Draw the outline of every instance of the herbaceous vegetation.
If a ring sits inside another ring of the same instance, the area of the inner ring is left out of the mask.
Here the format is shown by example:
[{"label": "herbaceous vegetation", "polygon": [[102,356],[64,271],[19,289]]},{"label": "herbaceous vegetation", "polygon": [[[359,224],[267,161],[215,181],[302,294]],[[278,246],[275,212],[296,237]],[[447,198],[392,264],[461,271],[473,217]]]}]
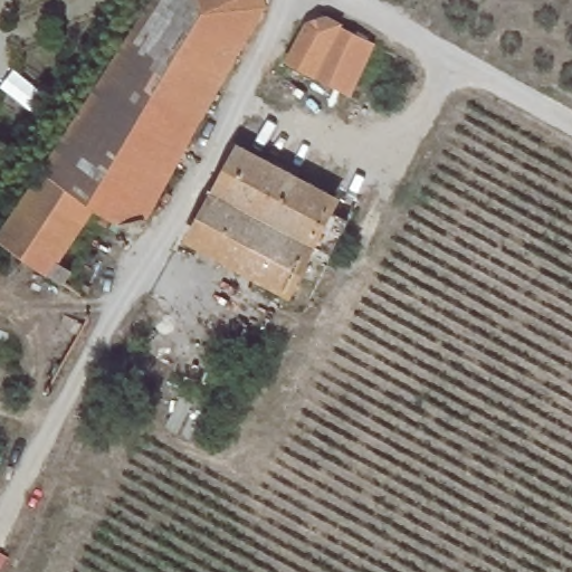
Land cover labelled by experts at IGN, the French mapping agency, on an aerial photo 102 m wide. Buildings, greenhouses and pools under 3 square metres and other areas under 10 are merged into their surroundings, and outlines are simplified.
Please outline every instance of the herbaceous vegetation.
[{"label": "herbaceous vegetation", "polygon": [[0,427],[7,431],[9,438],[25,438],[27,442],[42,427],[49,407],[54,404],[58,391],[63,389],[67,375],[72,373],[83,351],[83,344],[87,342],[89,333],[94,331],[101,317],[103,284],[116,279],[118,261],[127,246],[127,232],[116,228],[112,228],[109,223],[101,226],[101,217],[96,215],[89,217],[89,221],[85,223],[85,228],[74,239],[72,248],[60,261],[63,268],[69,270],[69,279],[58,284],[51,277],[45,277],[40,270],[25,266],[20,259],[11,259],[11,255],[4,248],[0,248],[0,340],[16,335],[22,340],[22,369],[34,380],[31,400],[27,409],[11,411],[2,404],[2,382],[7,378],[7,371],[0,369]]},{"label": "herbaceous vegetation", "polygon": [[425,80],[425,69],[416,60],[411,60],[416,83],[409,87],[407,101],[413,101],[418,96]]},{"label": "herbaceous vegetation", "polygon": [[290,384],[290,380],[299,384],[308,382],[308,369],[313,366],[349,382],[346,373],[328,364],[342,364],[344,360],[335,353],[335,349],[346,349],[344,333],[337,333],[331,324],[315,326],[315,317],[322,311],[322,306],[335,306],[331,293],[335,288],[337,270],[349,268],[360,257],[362,235],[373,237],[380,221],[380,210],[391,203],[391,199],[380,197],[373,183],[358,192],[353,203],[349,201],[349,194],[344,190],[340,190],[335,197],[340,203],[335,208],[335,217],[342,219],[344,230],[337,239],[320,246],[320,250],[326,252],[328,259],[320,261],[317,268],[306,268],[306,279],[299,282],[299,290],[293,293],[290,299],[286,299],[275,306],[275,324],[288,328],[288,344],[282,353],[282,364],[275,384],[264,387],[261,393],[255,398],[250,413],[239,427],[239,436],[244,440],[268,438],[275,447],[270,449],[268,458],[277,463],[277,458],[282,458],[284,454],[282,447],[290,445],[293,436],[306,438],[306,433],[304,429],[297,429],[297,420],[286,418],[279,400],[282,389],[277,384]]},{"label": "herbaceous vegetation", "polygon": [[393,56],[404,58],[404,47],[389,45],[373,29],[346,18],[335,7],[322,4],[313,7],[299,20],[295,20],[293,31],[284,45],[284,51],[273,60],[273,65],[268,65],[261,72],[261,80],[255,94],[275,109],[302,109],[306,116],[311,116],[311,112],[320,107],[326,116],[337,116],[342,123],[349,123],[349,109],[355,105],[373,109],[366,87],[358,83],[351,96],[337,96],[337,92],[324,89],[317,83],[308,85],[306,78],[295,78],[290,74],[290,51],[297,45],[297,38],[306,29],[306,25],[317,18],[331,18],[346,31],[369,40],[373,49],[382,49],[387,63]]},{"label": "herbaceous vegetation", "polygon": [[123,337],[123,331],[130,328],[130,324],[136,322],[145,322],[154,331],[156,322],[150,315],[150,304],[154,302],[154,295],[150,290],[132,304],[132,308],[118,324],[112,344]]},{"label": "herbaceous vegetation", "polygon": [[0,547],[0,572],[74,572],[76,563],[83,561],[85,545],[94,538],[92,534],[96,525],[103,521],[107,501],[112,496],[118,496],[121,483],[125,478],[123,471],[127,469],[141,474],[136,465],[130,465],[125,458],[125,447],[132,447],[134,442],[134,425],[118,431],[103,422],[94,411],[83,413],[78,407],[65,418],[36,483],[25,494],[22,509],[13,523],[11,534],[7,536],[7,545]]}]

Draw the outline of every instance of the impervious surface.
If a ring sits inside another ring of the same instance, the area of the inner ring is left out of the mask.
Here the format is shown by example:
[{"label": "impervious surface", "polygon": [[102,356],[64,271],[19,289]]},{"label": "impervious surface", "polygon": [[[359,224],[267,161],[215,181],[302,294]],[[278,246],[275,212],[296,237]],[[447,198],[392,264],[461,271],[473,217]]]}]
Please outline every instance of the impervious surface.
[{"label": "impervious surface", "polygon": [[9,67],[7,38],[0,29],[0,87],[22,109],[29,109],[34,85]]},{"label": "impervious surface", "polygon": [[150,290],[154,295],[154,302],[150,304],[150,315],[156,322],[154,331],[150,351],[159,360],[159,373],[163,382],[172,382],[172,371],[201,371],[206,366],[206,358],[201,353],[206,333],[210,331],[219,322],[226,306],[226,299],[215,297],[212,293],[219,288],[221,282],[237,290],[239,284],[235,279],[237,273],[230,266],[223,266],[223,261],[217,261],[212,266],[194,252],[194,248],[181,246],[170,246],[156,277],[152,279]]}]

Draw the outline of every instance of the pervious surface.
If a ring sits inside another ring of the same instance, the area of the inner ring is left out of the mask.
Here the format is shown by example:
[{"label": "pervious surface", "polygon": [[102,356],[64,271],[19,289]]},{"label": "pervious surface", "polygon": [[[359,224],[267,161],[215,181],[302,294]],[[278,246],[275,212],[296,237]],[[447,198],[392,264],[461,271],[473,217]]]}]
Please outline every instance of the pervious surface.
[{"label": "pervious surface", "polygon": [[199,418],[199,407],[185,402],[179,395],[179,387],[172,382],[163,382],[159,407],[150,404],[150,411],[141,420],[143,425],[154,422],[159,429],[170,427],[172,431],[179,429],[183,431],[183,436],[192,436],[194,420]]},{"label": "pervious surface", "polygon": [[212,293],[215,297],[226,299],[226,306],[219,322],[210,331],[219,340],[237,340],[246,346],[255,346],[264,337],[279,337],[288,344],[288,328],[275,324],[275,306],[286,299],[282,295],[270,293],[264,286],[257,286],[255,282],[239,284],[237,290],[221,282],[219,288]]},{"label": "pervious surface", "polygon": [[[0,547],[7,545],[7,536],[11,534],[13,523],[22,509],[25,494],[36,483],[65,418],[78,407],[80,391],[85,387],[85,369],[94,358],[96,344],[112,344],[118,324],[132,308],[132,304],[150,290],[152,279],[156,277],[170,246],[181,246],[188,232],[188,223],[188,215],[201,188],[206,185],[210,172],[219,161],[226,143],[232,136],[237,145],[248,150],[250,154],[261,156],[275,163],[277,168],[295,174],[297,179],[304,179],[306,183],[335,197],[340,190],[344,190],[349,194],[349,201],[353,203],[358,192],[373,183],[380,197],[391,199],[420,141],[433,125],[433,118],[438,116],[445,98],[458,89],[474,87],[492,92],[498,98],[530,112],[541,123],[559,127],[572,136],[572,109],[518,83],[516,78],[492,67],[489,63],[463,51],[460,47],[442,40],[440,36],[431,34],[400,9],[407,0],[273,0],[264,29],[259,31],[255,45],[246,54],[237,76],[232,78],[223,96],[223,103],[219,105],[219,116],[215,118],[217,123],[208,125],[203,139],[199,141],[201,163],[194,170],[185,172],[185,177],[181,179],[170,199],[170,206],[165,206],[152,219],[150,228],[141,223],[118,223],[116,228],[127,232],[127,246],[118,261],[116,279],[103,284],[101,317],[94,331],[89,333],[87,342],[83,344],[83,351],[72,373],[67,375],[63,389],[58,391],[54,404],[49,407],[42,427],[27,442],[20,465],[7,469],[7,474],[0,474]],[[273,65],[273,60],[284,51],[284,45],[293,31],[295,20],[299,20],[313,7],[322,4],[335,7],[346,18],[373,29],[389,45],[404,47],[404,58],[411,60],[416,60],[425,69],[425,80],[418,96],[413,101],[407,101],[407,105],[393,114],[373,109],[355,105],[349,109],[349,123],[342,123],[337,116],[326,116],[320,107],[311,112],[311,116],[306,116],[302,109],[275,109],[255,94],[261,80],[261,72],[268,65]]]}]

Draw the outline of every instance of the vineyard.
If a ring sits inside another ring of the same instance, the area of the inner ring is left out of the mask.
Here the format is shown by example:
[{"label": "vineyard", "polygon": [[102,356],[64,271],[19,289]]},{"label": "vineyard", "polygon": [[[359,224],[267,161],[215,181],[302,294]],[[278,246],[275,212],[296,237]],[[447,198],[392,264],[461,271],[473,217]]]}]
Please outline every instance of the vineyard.
[{"label": "vineyard", "polygon": [[136,420],[134,425],[134,442],[132,447],[125,447],[125,458],[130,465],[136,465],[141,474],[127,469],[123,471],[125,478],[121,483],[118,496],[112,496],[107,501],[103,521],[96,525],[92,534],[94,538],[85,545],[83,561],[76,563],[74,572],[572,572],[572,136],[559,127],[541,123],[530,112],[498,98],[492,92],[474,87],[458,89],[445,98],[438,116],[433,118],[433,125],[420,141],[391,199],[391,203],[380,210],[380,221],[373,237],[362,235],[360,257],[349,268],[337,270],[335,288],[331,293],[335,306],[322,306],[322,311],[315,317],[315,326],[331,324],[337,333],[344,333],[346,349],[335,349],[335,353],[344,360],[342,364],[328,364],[346,373],[349,382],[313,366],[308,369],[308,382],[299,384],[290,380],[290,384],[277,384],[282,389],[279,400],[286,418],[297,420],[297,429],[304,429],[306,433],[306,438],[293,436],[290,445],[282,447],[284,454],[282,458],[277,458],[277,463],[268,458],[270,449],[275,447],[268,438],[244,440],[239,436],[239,440],[232,442],[228,449],[210,454],[194,442],[192,436],[183,436],[183,431],[179,429],[172,431],[170,427],[159,429],[154,422],[143,425],[141,420]]}]

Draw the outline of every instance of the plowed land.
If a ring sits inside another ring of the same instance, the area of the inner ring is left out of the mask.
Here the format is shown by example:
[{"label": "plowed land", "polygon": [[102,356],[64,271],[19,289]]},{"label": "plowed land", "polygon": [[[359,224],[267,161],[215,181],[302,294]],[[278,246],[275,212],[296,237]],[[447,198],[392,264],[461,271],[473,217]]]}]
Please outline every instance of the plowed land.
[{"label": "plowed land", "polygon": [[[489,63],[492,67],[516,78],[518,83],[572,109],[572,0],[474,0],[483,11],[494,16],[494,31],[487,38],[474,38],[469,31],[454,31],[454,25],[442,13],[442,2],[447,0],[407,0],[400,9],[431,34],[440,36],[442,40],[460,47],[463,51]],[[543,29],[534,20],[534,11],[543,4],[552,4],[559,11],[559,20],[552,29]],[[505,31],[521,31],[523,42],[516,54],[503,54],[501,38]],[[554,56],[554,63],[547,72],[538,72],[534,67],[536,47],[543,47]]]}]

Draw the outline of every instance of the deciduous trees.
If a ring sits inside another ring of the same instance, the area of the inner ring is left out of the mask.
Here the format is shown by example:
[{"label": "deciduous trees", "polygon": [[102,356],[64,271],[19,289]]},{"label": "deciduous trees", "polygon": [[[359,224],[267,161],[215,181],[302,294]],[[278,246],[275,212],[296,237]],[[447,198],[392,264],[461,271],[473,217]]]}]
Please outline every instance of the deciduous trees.
[{"label": "deciduous trees", "polygon": [[219,161],[210,172],[206,185],[201,188],[188,215],[188,223],[194,223],[199,219],[217,179],[226,170],[226,163]]},{"label": "deciduous trees", "polygon": [[136,420],[141,420],[150,411],[150,404],[159,407],[163,382],[159,373],[159,360],[150,351],[154,331],[145,322],[136,322],[130,324],[130,328],[123,331],[123,337],[112,344],[96,344],[94,358],[85,369],[85,387],[80,391],[78,407],[83,413],[94,411],[103,422],[118,431],[134,425]]},{"label": "deciduous trees", "polygon": [[7,469],[20,465],[27,442],[25,438],[9,438],[7,431],[0,427],[0,474],[7,474]]},{"label": "deciduous trees", "polygon": [[501,38],[503,54],[516,54],[523,42],[521,31],[505,31]]},{"label": "deciduous trees", "polygon": [[219,340],[210,331],[206,333],[201,353],[206,358],[206,366],[201,371],[172,371],[172,382],[179,387],[179,395],[185,402],[199,407],[199,418],[194,420],[192,436],[194,442],[210,454],[228,449],[232,442],[239,440],[239,436],[239,427],[250,413],[255,398],[261,393],[264,387],[275,384],[282,364],[282,353],[288,344],[279,337],[264,337],[255,346],[246,346],[237,340]]},{"label": "deciduous trees", "polygon": [[474,0],[447,0],[442,2],[442,13],[454,25],[454,31],[469,31],[474,38],[487,38],[494,31],[494,16],[483,11]]},{"label": "deciduous trees", "polygon": [[538,72],[547,72],[554,63],[554,56],[543,47],[536,47],[534,67]]},{"label": "deciduous trees", "polygon": [[2,404],[11,411],[27,409],[31,400],[34,380],[22,369],[22,340],[16,335],[0,340],[0,369],[7,371],[7,378],[2,382]]},{"label": "deciduous trees", "polygon": [[136,38],[136,34],[145,27],[159,0],[0,0],[0,29],[7,38],[9,67],[34,85],[29,109],[22,109],[0,87],[0,228],[27,190],[40,190],[42,183],[49,179],[49,156],[54,152],[54,145],[67,141],[72,127],[92,105],[94,83],[109,65],[112,56],[121,54],[121,42],[130,36]]},{"label": "deciduous trees", "polygon": [[366,87],[373,109],[393,114],[407,105],[407,101],[409,87],[416,83],[411,60],[404,58],[393,56],[387,63],[382,49],[373,49],[358,83]]},{"label": "deciduous trees", "polygon": [[534,11],[534,20],[543,29],[552,29],[559,20],[559,11],[552,4],[543,4]]}]

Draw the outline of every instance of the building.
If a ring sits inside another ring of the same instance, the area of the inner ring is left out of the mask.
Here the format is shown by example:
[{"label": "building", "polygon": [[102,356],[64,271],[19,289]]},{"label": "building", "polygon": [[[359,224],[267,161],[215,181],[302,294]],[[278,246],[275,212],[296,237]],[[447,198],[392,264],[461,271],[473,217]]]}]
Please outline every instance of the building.
[{"label": "building", "polygon": [[194,248],[194,252],[212,266],[217,261],[223,261],[223,266],[230,266],[237,273],[235,279],[239,284],[255,282],[257,286],[264,286],[270,293],[282,295],[286,299],[290,299],[293,293],[299,290],[299,282],[306,279],[306,268],[317,268],[320,261],[328,259],[326,252],[320,250],[320,246],[337,239],[344,230],[342,219],[335,217],[335,208],[340,203],[335,197],[306,183],[304,179],[297,179],[295,174],[277,168],[275,163],[261,156],[250,154],[248,150],[237,145],[232,136],[226,143],[219,161],[226,163],[226,170],[217,179],[199,219],[194,223],[188,223],[188,232],[181,246]]},{"label": "building", "polygon": [[4,248],[11,255],[11,259],[20,259],[25,266],[40,270],[45,277],[51,277],[58,284],[69,279],[69,270],[63,268],[60,261],[72,248],[74,239],[85,228],[85,223],[89,221],[89,217],[96,215],[101,217],[101,226],[109,223],[112,228],[116,228],[118,223],[141,223],[150,228],[152,219],[165,206],[170,206],[170,199],[181,179],[185,177],[185,172],[194,170],[201,163],[199,141],[203,139],[208,125],[217,123],[215,118],[219,116],[219,105],[223,103],[223,96],[232,78],[237,76],[246,54],[255,45],[259,31],[264,29],[273,0],[159,0],[145,27],[136,34],[136,38],[130,36],[121,42],[121,54],[112,56],[109,65],[94,83],[92,105],[72,127],[67,141],[54,145],[54,152],[49,156],[49,179],[42,183],[40,190],[27,190],[0,228],[0,248]]},{"label": "building", "polygon": [[369,40],[346,31],[331,18],[317,18],[306,25],[306,29],[297,38],[297,45],[290,51],[290,74],[295,78],[306,78],[308,85],[317,83],[324,89],[337,92],[337,96],[351,96],[358,83],[373,49]]}]

